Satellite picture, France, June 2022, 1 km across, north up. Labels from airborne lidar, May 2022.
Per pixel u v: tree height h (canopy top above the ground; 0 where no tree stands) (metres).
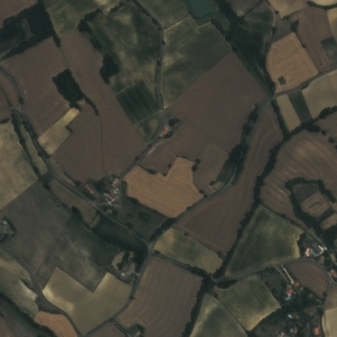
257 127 0
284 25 0
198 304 11
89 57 0
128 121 0
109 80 13
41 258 0
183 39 0
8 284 0
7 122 9
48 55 0
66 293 0
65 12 0
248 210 0
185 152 0
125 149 0
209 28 0
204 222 0
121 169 0
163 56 0
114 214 13
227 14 14
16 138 0
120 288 0
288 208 0
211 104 0
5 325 0
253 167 0
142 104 0
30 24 11
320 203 0
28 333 0
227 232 0
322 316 10
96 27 0
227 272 0
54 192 0
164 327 0
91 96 0
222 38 0
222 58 0
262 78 0
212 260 0
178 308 0
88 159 0
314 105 0
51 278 0
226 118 0
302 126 13
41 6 13
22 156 0
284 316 10
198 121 0
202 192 14
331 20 0
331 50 0
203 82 0
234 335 0
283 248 0
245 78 0
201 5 0
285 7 0
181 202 0
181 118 0
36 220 0
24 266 0
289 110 0
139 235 10
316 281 0
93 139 0
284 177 0
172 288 0
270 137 0
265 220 0
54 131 0
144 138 0
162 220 0
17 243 0
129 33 0
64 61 0
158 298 0
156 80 0
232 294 0
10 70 0
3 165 0
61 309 0
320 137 0
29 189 0
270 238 0
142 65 0
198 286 0
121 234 0
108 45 0
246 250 0
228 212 0
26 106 0
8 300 15
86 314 0
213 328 0
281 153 0
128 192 0
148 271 0
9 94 0
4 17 0
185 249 0
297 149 0
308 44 0
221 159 0
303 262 0
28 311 0
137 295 0
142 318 0
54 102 0
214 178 0
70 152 0
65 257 0
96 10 9
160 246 0
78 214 8
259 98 0
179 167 0
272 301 0
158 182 0
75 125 0
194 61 0
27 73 0
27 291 0
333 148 0
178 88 0
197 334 0
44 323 0
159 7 0
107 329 0
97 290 0
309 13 0
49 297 0
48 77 0
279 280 0
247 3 0
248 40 0
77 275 0
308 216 7
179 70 0
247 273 0
